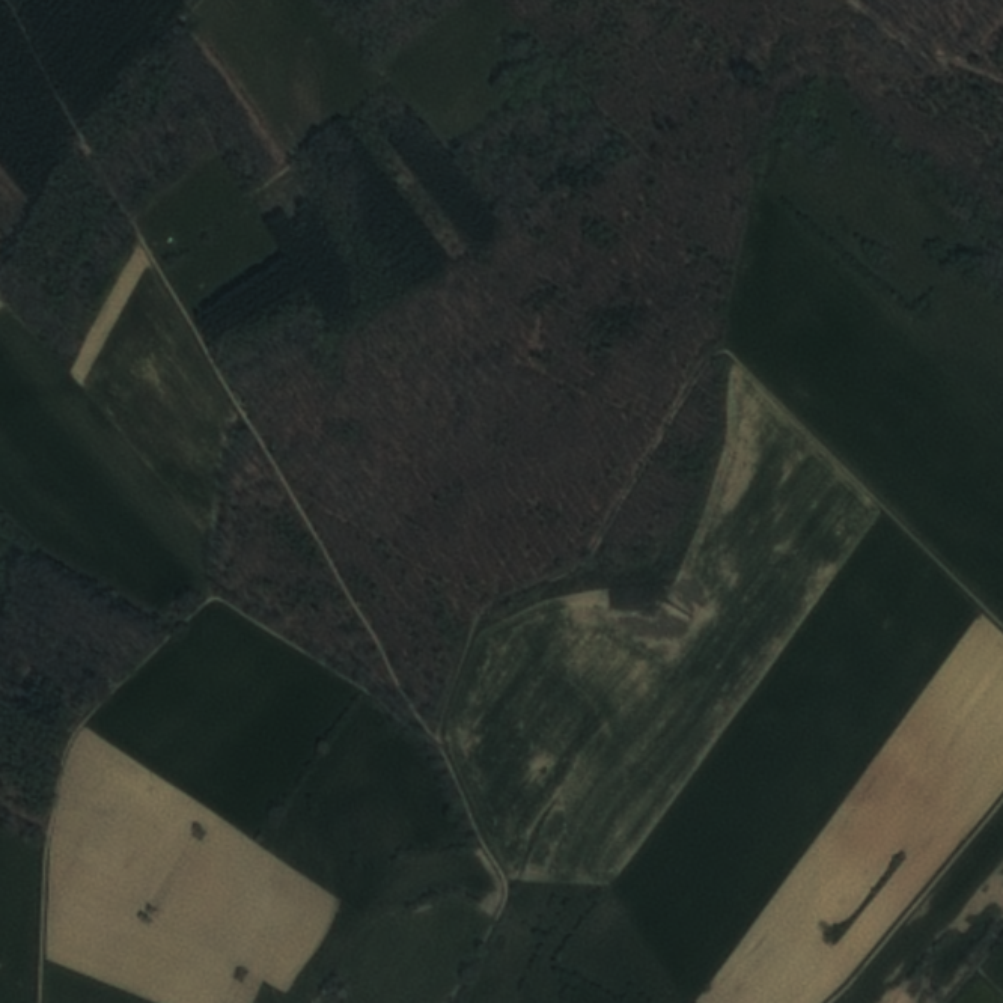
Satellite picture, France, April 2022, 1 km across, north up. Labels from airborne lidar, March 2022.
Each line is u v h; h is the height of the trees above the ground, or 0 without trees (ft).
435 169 68
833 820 0
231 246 0
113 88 43
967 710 0
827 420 0
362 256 65
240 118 95
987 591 0
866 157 0
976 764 0
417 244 84
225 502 63
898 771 0
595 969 0
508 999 0
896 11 91
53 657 100
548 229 40
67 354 73
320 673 0
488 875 0
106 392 0
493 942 0
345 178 61
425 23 72
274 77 0
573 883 0
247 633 0
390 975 0
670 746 0
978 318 0
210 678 0
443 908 0
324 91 0
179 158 94
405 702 92
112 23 62
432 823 0
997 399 0
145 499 0
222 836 0
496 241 64
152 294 0
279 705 0
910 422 0
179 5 54
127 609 47
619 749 0
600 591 0
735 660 0
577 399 41
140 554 0
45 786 52
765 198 0
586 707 0
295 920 0
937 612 0
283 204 0
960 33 94
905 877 0
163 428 0
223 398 0
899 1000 18
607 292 45
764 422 0
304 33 0
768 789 0
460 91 0
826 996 0
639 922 0
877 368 0
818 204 0
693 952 0
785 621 0
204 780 0
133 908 0
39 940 0
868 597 0
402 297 64
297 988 0
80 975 0
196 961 0
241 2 0
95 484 0
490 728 0
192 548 0
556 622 0
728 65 22
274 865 0
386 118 50
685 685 0
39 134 56
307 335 81
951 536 0
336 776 0
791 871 0
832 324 0
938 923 0
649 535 43
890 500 0
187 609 69
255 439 81
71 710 72
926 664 0
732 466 0
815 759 0
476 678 0
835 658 0
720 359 30
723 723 0
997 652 0
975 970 57
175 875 0
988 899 0
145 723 0
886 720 0
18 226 0
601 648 0
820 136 31
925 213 0
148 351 0
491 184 47
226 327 63
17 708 76
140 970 0
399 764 0
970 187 58
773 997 0
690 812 0
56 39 62
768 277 0
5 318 0
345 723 22
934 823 0
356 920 0
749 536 0
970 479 0
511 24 0
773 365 0
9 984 0
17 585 92
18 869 0
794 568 0
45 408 0
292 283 69
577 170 54
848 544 0
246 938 0
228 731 0
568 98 72
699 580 0
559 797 0
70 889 0
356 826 0
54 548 0
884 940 0
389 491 0
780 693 0
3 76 59
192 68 88
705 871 0
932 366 0
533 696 0
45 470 0
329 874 0
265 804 0
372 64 58
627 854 0
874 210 0
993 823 0
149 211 59
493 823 0
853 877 0
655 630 0
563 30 22
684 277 31
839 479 0
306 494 32
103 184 82
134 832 0
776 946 0
